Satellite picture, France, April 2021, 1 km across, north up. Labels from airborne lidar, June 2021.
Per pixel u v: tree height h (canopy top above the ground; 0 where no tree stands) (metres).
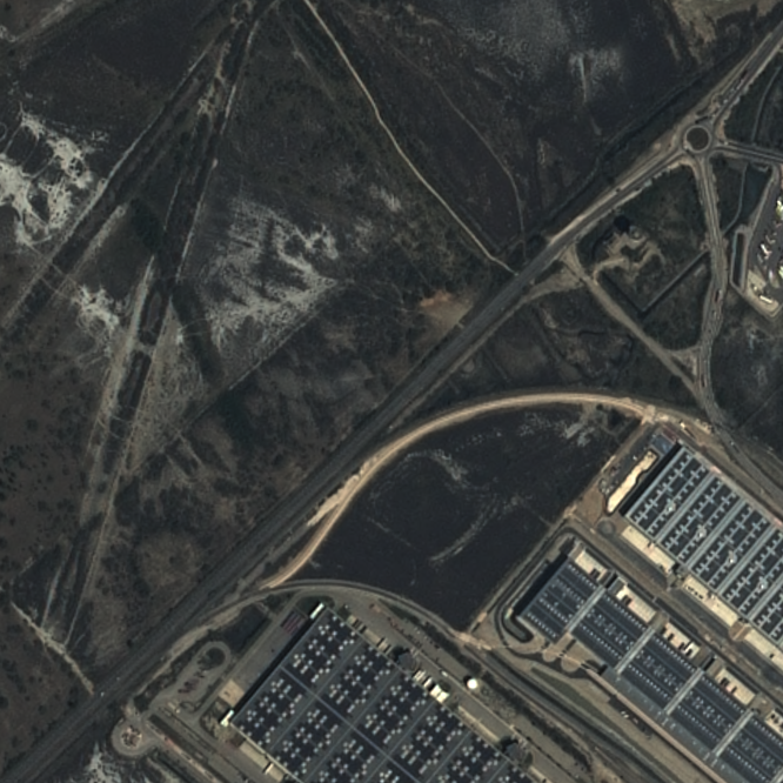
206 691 0
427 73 0
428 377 0
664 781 0
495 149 0
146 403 0
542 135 0
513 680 0
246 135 0
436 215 0
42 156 0
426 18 0
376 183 0
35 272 0
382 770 0
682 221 0
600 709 0
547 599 0
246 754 0
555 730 6
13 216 0
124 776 0
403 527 0
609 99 0
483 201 0
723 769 0
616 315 0
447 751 0
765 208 0
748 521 0
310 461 0
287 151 0
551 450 0
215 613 0
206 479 0
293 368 0
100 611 0
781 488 0
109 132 0
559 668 0
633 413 0
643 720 0
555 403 0
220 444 0
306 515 0
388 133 0
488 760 0
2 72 0
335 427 0
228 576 0
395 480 0
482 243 0
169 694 0
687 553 0
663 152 0
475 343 0
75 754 0
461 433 0
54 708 0
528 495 0
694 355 0
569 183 0
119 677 0
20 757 6
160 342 0
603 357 0
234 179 0
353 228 0
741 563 0
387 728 0
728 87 0
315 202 0
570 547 0
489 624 0
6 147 0
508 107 0
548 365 0
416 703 0
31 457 0
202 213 0
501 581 0
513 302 0
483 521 0
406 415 0
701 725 0
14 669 6
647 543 0
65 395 0
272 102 5
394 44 0
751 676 0
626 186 0
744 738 0
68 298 0
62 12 0
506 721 0
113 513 0
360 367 0
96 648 0
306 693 0
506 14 0
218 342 0
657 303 0
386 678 0
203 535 0
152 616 0
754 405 0
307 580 0
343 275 0
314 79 0
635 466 0
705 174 0
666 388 0
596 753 0
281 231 0
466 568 0
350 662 0
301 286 0
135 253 0
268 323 0
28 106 0
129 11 0
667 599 0
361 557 0
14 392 0
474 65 0
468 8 0
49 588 0
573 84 0
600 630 0
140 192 0
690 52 0
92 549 0
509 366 0
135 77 0
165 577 0
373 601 0
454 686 0
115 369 0
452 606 0
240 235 0
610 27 0
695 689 0
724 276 0
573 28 0
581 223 0
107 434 0
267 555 0
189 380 0
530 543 0
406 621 0
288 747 0
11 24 0
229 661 0
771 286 0
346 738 0
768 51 0
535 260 0
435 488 0
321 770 0
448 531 0
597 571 0
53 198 0
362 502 0
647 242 0
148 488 0
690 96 0
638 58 0
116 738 0
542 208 0
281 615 0
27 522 0
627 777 0
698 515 0
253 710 0
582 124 0
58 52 0
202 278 0
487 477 0
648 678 0
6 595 7
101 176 0
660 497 0
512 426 0
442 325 0
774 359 0
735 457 0
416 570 0
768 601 0
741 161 0
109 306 0
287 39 0
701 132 0
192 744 0
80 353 0
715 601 0
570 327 0
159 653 0
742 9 0
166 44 0
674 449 0
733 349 0
